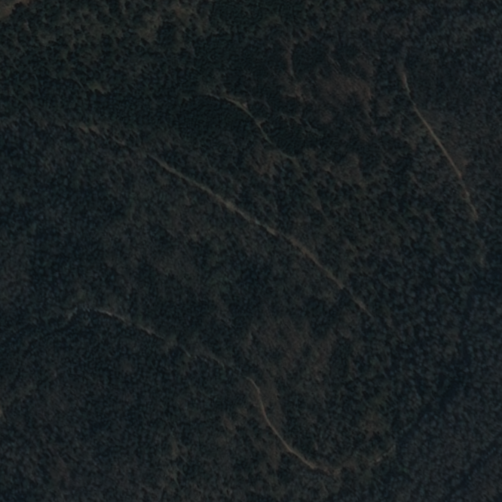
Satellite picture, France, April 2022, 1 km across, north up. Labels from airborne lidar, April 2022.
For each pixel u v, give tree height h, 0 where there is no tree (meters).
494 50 26
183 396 22
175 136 21
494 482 24
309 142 9
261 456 22
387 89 17
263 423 16
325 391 21
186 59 24
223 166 21
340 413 30
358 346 20
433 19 10
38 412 20
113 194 28
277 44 17
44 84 37
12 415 16
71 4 23
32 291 21
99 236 26
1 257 26
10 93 33
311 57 15
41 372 23
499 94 22
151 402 20
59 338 23
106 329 21
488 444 25
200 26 34
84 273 22
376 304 16
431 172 29
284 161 19
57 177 18
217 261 27
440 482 29
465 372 14
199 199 21
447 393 8
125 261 21
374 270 29
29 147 25
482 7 11
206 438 23
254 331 23
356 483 11
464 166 15
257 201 24
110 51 38
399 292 36
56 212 27
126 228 26
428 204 22
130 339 21
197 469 27
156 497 10
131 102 21
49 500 22
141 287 22
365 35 18
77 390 14
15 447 40
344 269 26
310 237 25
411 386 13
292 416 21
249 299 20
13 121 23
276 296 30
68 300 23
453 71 14
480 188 17
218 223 24
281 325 22
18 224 23
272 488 17
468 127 24
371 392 33
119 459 20
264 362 21
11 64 35
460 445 37
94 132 0
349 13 17
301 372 19
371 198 21
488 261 9
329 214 22
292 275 26
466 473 23
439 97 20
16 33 20
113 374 22
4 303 22
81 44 27
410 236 11
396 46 12
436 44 15
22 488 22
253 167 6
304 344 31
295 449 14
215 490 19
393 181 16
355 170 18
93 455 20
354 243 22
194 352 23
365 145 19
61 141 25
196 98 12
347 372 20
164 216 27
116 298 20
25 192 22
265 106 16
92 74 28
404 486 36
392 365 31
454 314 30
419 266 34
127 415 14
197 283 24
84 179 24
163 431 31
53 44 12
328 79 21
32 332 19
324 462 30
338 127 20
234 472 25
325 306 22
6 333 15
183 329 26
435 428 36
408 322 38
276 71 14
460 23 26
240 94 12
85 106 30
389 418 14
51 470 16
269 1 25
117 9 26
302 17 15
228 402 15
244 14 22
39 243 25
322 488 30
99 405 16
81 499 17
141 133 20
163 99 17
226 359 18
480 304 31
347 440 26
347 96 17
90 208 22
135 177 22
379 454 11
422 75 19
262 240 29
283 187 34
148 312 22
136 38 37
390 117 15
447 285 29
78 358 14
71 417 15
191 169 26
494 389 32
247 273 21
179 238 24
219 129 18
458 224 33
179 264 29
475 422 30
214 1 21
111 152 25
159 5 26
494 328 23
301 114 17
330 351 24
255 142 12
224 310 21
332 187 26
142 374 19
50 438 24
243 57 19
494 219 24
